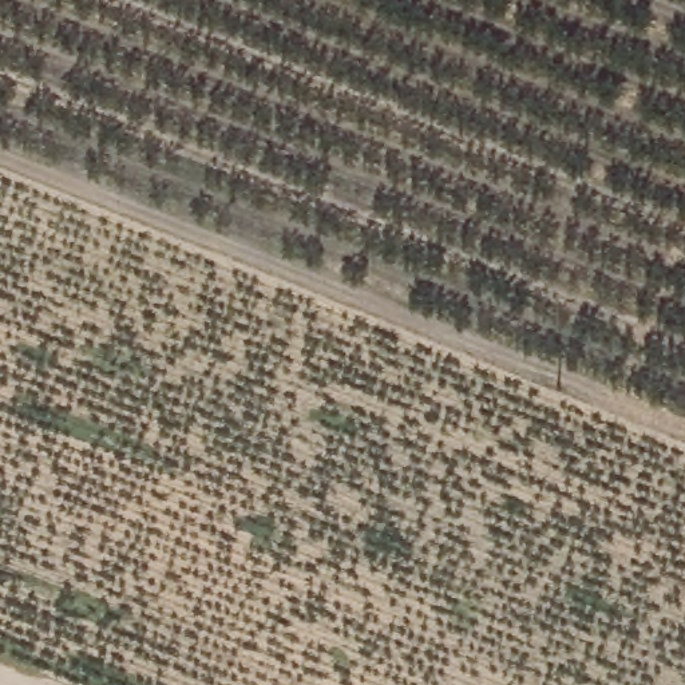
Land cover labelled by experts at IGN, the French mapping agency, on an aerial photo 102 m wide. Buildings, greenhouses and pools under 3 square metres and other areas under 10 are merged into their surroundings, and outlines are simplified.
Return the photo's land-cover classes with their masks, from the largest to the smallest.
<instances>
[{"label":"deciduous trees","instance_id":"1","mask_svg":"<svg viewBox=\"0 0 685 685\"><path fill-rule=\"evenodd\" d=\"M59 8L64 3H72L78 13H99L102 19L118 21V27H112V35H102L78 27L67 19L62 21L48 11L27 8L19 0H0V21L11 19L13 29L32 24L35 37L56 43L67 54H75V64L64 72V88L72 96H91L99 99L104 107L120 110L112 120L88 107L78 112L59 107L51 91H35L32 78L43 72L45 54L32 51L21 40L0 37V147H21L24 153L37 155L51 166H62L70 174H88V179L94 182L102 177L120 193L144 201L155 209H163L166 214L193 217L195 225L206 230L241 238L284 260H300L313 270L321 268V262L326 260L340 262L343 281H348L351 286H361L364 292L391 305L409 308L439 321H450L458 332H476L487 340L511 345L522 353L554 361L557 393L565 391L562 375L573 369L594 380L610 383L615 391H634L650 404L666 407L685 417V0H144L158 3L169 13L198 21L193 32L182 35L171 32L169 27L153 24V19L142 11L110 5L107 0H51ZM203 27L225 29L257 48L281 54V64L265 70L262 59L249 62L238 48L217 37H206V43H198V32ZM318 72L351 83L356 88H369L380 96L396 99L401 107L425 112L442 123L458 126L460 131H471L484 139H498L506 147H519L527 155L551 161L570 177L586 174L591 171V166L602 169L613 190L634 195L631 203H626L623 209H615L610 203H594L597 190L581 185L575 190L573 206L581 209L586 217H602L607 227H621L645 235L653 243H672L669 254L648 257L642 246H618L615 235H610V241H599L597 227L578 233V222H557V214L551 209H543V217H535V206L514 201L506 193H492L482 185L484 177H511L514 187L541 198L554 195L557 177H549V171L541 169L530 174V166H522L511 158H500L490 150H484V155L458 150L450 142H444L433 128H425L417 120L393 118L388 110H377L375 99L326 94L324 88L313 86ZM305 102H316L318 107L334 110L337 115H345L356 123L380 126L388 134L399 131L407 147H423L436 158L466 163L471 169V177L466 179L460 174L428 169L420 163V158L401 161L399 153L391 150L385 155L391 182L385 190L377 187L372 211L361 209L359 214H353L348 209H334L321 201L332 169L329 155H343V161L364 158L367 163H377L380 142L300 115L297 110ZM144 115H155L158 128L177 134L174 142L163 144L153 136H136ZM187 142H198L209 150H222L230 158H241L243 163L260 166L276 177L294 179L297 185L294 190H273L268 182L252 179L249 174L209 169L206 163L179 155ZM535 278L554 281L557 286H565L570 292L578 284H589L597 294L594 305L567 310L562 302L541 297L538 289H527ZM605 305L618 308L629 316L658 318L656 329L645 334V343H634L631 329H618L615 324L602 321L599 310ZM0 664L16 666L21 674L32 677L43 669L75 685H685V452L677 447H666L653 436H640V442H634L623 425L605 420L597 412H583L581 407H573L567 401H559L554 409L538 404L535 388L527 391V396H519V380L506 377L503 388H495V375L487 369L474 367L463 375L460 361L455 356L431 351L428 345L399 348L396 332L367 324L364 318L340 313V324H332V308H316L310 297L294 294L289 289H276V294H265L260 292V281L243 270H233L230 278H219L217 262L209 257L185 252L169 241H158L142 230L136 233L131 227H123L120 222H110L107 217L88 214L78 203L27 187L24 182H11L0 174Z\"/></svg>","mask_w":685,"mask_h":685},{"label":"plowed land","instance_id":"2","mask_svg":"<svg viewBox=\"0 0 685 685\"><path fill-rule=\"evenodd\" d=\"M27 8L48 11L62 21L67 19L78 27L102 35H112V27H118V21L102 19L99 13H78L72 3H64L59 8L51 0H19ZM110 5L142 11L153 19V24L169 27L171 32L182 35L193 32L198 21L169 13L158 3L144 0H107ZM0 37L21 40L32 51L45 54L43 72L32 78L35 91H51L59 107L78 112L88 107L112 120L120 110L104 107L99 99L91 96H72L64 88V72L75 64V54H67L56 43L35 37L32 24L13 29L11 19L0 21ZM206 37H217L238 48L249 62L262 59L265 70L281 64V54L257 48L225 29L203 27L198 32V43H206ZM313 86L324 88L326 94L375 99L377 110H388L393 118L417 120L425 128H433L444 142H450L458 150L484 155V150H490L500 158H511L522 166H530V174L541 169L549 171V177H557L554 195L541 198L514 187L511 177H484L482 185L492 193H506L514 201L535 206V217H543V209H551L557 214V222H578V233L597 227L599 241H610V235H615L618 246H642L648 257L669 254L672 243H653L645 235L621 227H607L602 217H586L581 209L573 206L575 190L581 185L597 190L594 203H610L615 209H623L626 203H631L634 195L613 190L602 169L591 166V171L586 174L570 177L551 161L527 155L519 147H506L498 139H484L471 131H460L458 126L442 123L425 112L401 107L396 99L380 96L369 88H356L351 83L318 72ZM300 115L380 142L377 163H367L364 158L343 161V155H329L332 169L321 201L334 209H348L353 214H359L361 209L372 211L377 187L385 190L391 182L385 155L391 150L399 153L401 161L420 158V163L428 169L460 174L466 179L471 177V169L466 163L436 158L423 147H407L399 131L388 134L380 126L356 123L345 115H337L334 110L318 107L316 102H305L297 110ZM136 136H153L163 144L174 142L177 134L158 128L155 115H144ZM179 155L206 163L209 169L249 174L252 179L268 182L273 190H294L297 185L294 179L276 177L260 166L243 163L241 158H230L222 150H209L198 142H187ZM0 174L11 182H24L27 187L78 203L88 214L107 217L110 222H120L123 227H131L136 233L142 230L158 241H169L185 252L209 257L217 262L219 278H230L233 270H243L260 281V292L265 294H276V289H289L294 294L310 297L316 308H332V324H340V313L364 318L367 324L396 332L399 348L428 345L431 351L455 356L460 361L463 375L474 367L487 369L495 375V388H503L506 377L519 380V396H527V391L535 388L538 404L554 409L559 401H567L573 407H581L583 412H597L605 420L623 425L634 442H640V436H653L666 447H677L685 452V417L666 407L650 404L634 391H615L610 383L594 380L573 369L562 375L565 391L557 393L554 361L522 353L511 345L487 340L476 332H458L450 321H439L409 308L391 305L364 292L361 286H351L348 281H343L340 262L326 260L321 262V268L313 270L300 260H284L241 238L206 230L195 225L193 217L166 214L163 209H155L144 201L120 193L102 177L94 182L88 179V174H70L62 166H51L37 155L24 153L21 147H0ZM527 289H538L541 297L562 302L567 310L594 305L597 294L589 284H578L570 292L565 286H557L554 281L535 278ZM602 321L615 324L618 329H631L634 343H645V334L656 329L658 318L629 316L618 308L605 305L599 310Z\"/></svg>","mask_w":685,"mask_h":685},{"label":"pervious surface","instance_id":"3","mask_svg":"<svg viewBox=\"0 0 685 685\"><path fill-rule=\"evenodd\" d=\"M0 685H75L43 669L32 677L21 674L16 666L0 664Z\"/></svg>","mask_w":685,"mask_h":685}]
</instances>
